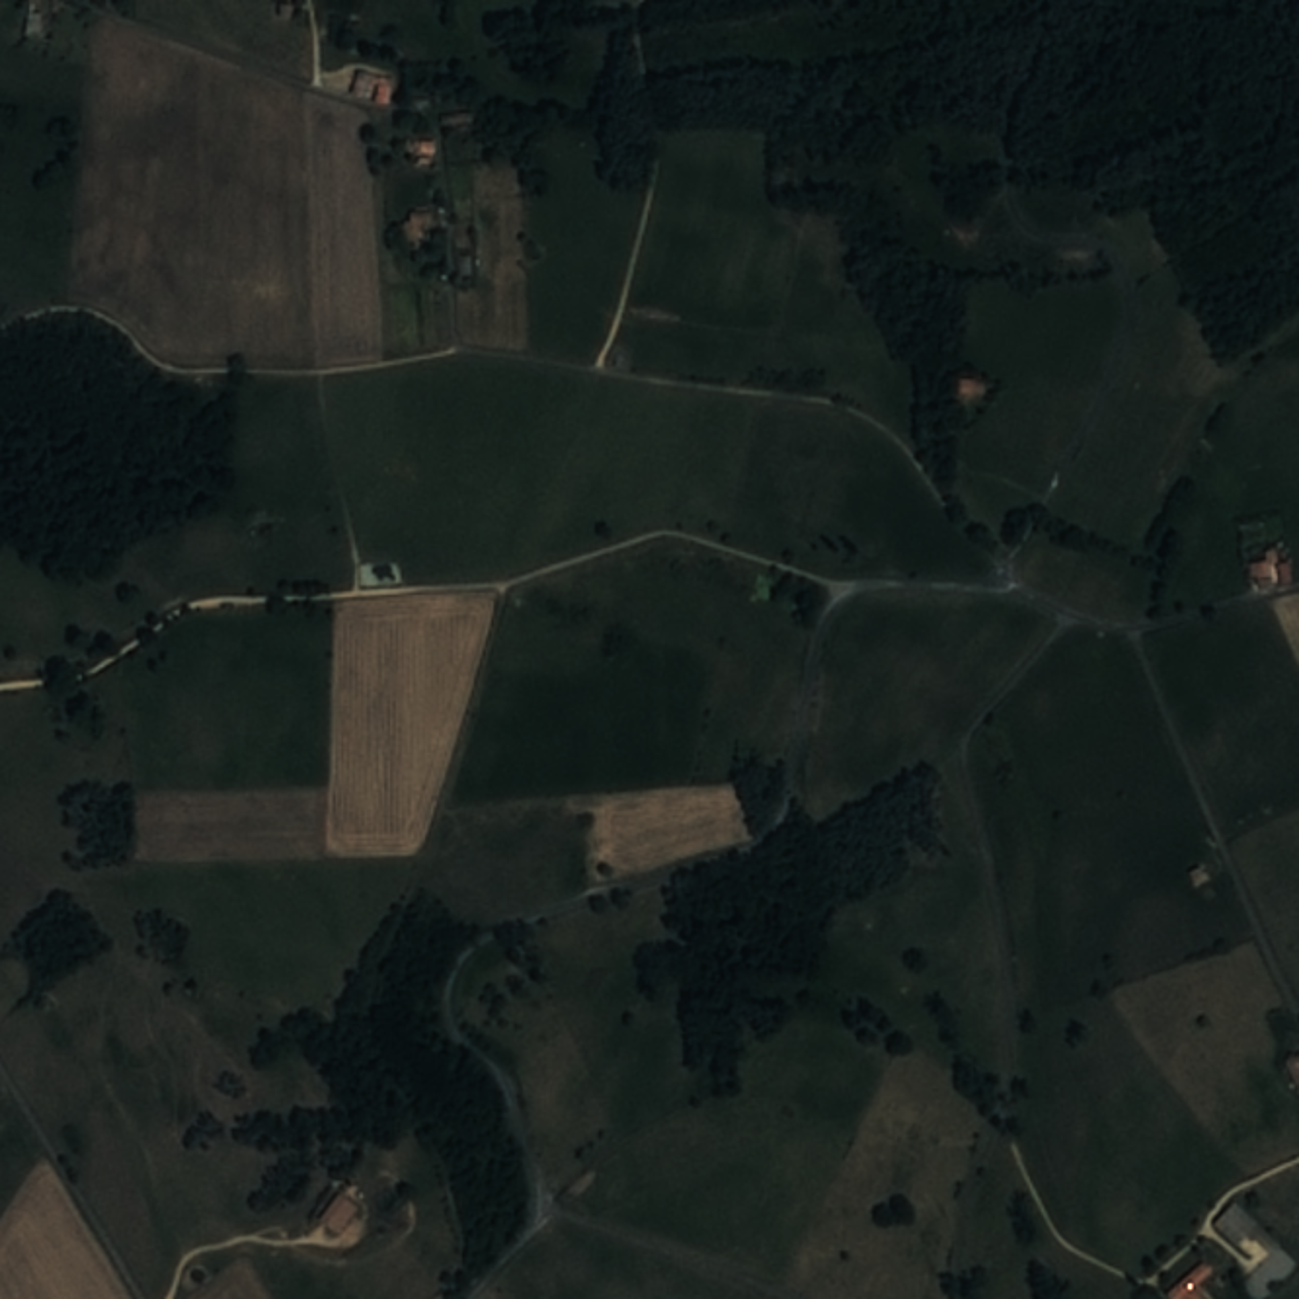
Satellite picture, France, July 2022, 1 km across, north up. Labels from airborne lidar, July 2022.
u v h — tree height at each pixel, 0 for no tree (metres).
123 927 0
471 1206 8
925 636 0
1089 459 0
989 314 0
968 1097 12
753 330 0
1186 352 0
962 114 25
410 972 7
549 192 9
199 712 0
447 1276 11
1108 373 0
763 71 25
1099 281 9
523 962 29
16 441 25
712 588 0
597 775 0
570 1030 0
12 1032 0
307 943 0
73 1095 0
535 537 0
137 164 0
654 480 0
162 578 0
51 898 9
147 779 0
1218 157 9
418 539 0
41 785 0
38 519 18
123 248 0
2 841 0
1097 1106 0
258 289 0
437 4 7
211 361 0
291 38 0
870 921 0
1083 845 0
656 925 0
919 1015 0
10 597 0
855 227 10
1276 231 19
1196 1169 0
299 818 0
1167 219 15
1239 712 0
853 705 0
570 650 0
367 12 0
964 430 8
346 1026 13
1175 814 0
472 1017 0
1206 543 0
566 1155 0
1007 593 0
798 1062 0
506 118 17
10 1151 0
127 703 0
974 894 0
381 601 0
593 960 0
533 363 0
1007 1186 0
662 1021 0
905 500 0
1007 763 0
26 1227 0
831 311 0
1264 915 0
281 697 0
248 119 0
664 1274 0
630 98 24
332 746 0
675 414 0
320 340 0
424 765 0
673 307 0
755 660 0
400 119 14
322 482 0
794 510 0
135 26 0
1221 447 0
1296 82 19
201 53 0
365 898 0
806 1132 0
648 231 0
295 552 0
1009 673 0
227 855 0
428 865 0
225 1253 0
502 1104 16
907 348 18
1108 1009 0
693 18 17
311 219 0
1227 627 0
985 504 0
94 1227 0
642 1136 0
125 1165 0
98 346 11
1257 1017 0
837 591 0
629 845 0
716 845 0
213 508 13
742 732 0
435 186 6
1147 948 0
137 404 14
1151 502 0
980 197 15
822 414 0
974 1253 0
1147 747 0
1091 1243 0
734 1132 0
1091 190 20
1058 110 20
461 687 0
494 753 0
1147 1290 10
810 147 22
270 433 0
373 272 0
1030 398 0
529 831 0
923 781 19
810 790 0
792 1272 0
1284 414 0
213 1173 0
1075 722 0
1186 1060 0
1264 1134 0
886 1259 0
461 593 0
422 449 0
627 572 0
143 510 18
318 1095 0
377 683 0
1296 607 0
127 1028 0
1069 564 0
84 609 0
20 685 0
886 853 20
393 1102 20
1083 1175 0
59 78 0
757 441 0
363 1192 0
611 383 0
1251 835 0
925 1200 0
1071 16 22
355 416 0
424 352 0
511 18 14
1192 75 10
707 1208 0
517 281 0
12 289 0
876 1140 0
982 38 23
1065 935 0
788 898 20
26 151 0
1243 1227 0
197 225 0
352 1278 0
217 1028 0
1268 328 18
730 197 0
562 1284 0
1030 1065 0
